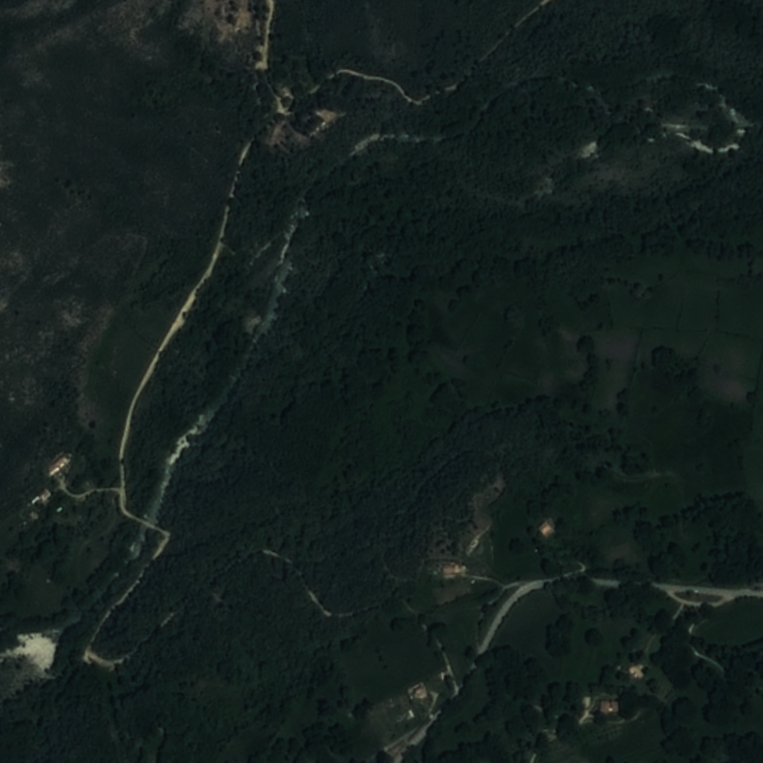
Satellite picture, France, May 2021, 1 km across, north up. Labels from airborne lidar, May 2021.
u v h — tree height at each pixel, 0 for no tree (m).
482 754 19
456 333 0
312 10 6
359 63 13
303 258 7
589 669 0
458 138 12
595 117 16
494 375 0
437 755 13
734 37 12
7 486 6
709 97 16
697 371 13
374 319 28
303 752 14
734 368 0
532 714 22
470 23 9
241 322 8
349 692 15
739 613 0
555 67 15
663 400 0
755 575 19
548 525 0
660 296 0
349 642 19
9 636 18
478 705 0
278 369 21
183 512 8
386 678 0
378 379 17
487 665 16
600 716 15
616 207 19
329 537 15
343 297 26
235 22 20
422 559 8
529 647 0
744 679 19
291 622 16
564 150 7
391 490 15
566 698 10
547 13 14
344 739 14
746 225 19
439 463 11
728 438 0
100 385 0
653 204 20
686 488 0
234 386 11
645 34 19
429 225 17
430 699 0
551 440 21
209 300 10
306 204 11
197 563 19
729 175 20
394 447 6
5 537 0
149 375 0
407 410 6
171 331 0
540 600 0
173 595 20
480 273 18
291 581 15
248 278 8
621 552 0
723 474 0
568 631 11
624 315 0
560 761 0
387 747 0
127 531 12
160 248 10
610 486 0
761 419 0
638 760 0
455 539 13
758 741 25
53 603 0
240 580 19
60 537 18
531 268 16
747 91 20
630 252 24
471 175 14
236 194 10
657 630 16
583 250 21
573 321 0
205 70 13
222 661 15
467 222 19
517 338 0
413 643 0
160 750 11
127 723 14
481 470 7
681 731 21
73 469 0
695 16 9
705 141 6
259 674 14
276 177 12
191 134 12
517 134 18
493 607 12
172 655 15
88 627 13
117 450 0
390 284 25
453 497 8
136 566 8
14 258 0
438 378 12
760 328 0
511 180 8
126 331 0
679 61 17
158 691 19
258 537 16
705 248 30
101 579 13
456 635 0
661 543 15
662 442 0
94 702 18
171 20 8
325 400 25
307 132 19
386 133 14
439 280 16
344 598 8
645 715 0
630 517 17
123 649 9
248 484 13
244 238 9
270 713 17
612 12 9
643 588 13
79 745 13
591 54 14
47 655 0
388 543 9
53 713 14
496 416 17
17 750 27
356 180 19
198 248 6
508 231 23
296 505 11
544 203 6
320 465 23
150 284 10
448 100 17
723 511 21
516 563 0
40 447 10
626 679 17
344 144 10
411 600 9
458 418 9
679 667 21
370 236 26
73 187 22
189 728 14
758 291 0
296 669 10
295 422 24
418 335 22
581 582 16
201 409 16
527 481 13
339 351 20
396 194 23
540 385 0
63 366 6
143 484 10
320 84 11
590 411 15
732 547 21
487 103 12
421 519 10
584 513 0
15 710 16
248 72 12
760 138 17
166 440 8
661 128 13
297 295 12
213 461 16
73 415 21
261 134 10
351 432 12
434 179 20
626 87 15
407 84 6
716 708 21
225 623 18
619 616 15
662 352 18
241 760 0
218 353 16
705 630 0
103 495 7
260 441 24
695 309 0
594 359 15
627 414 18
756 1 16
